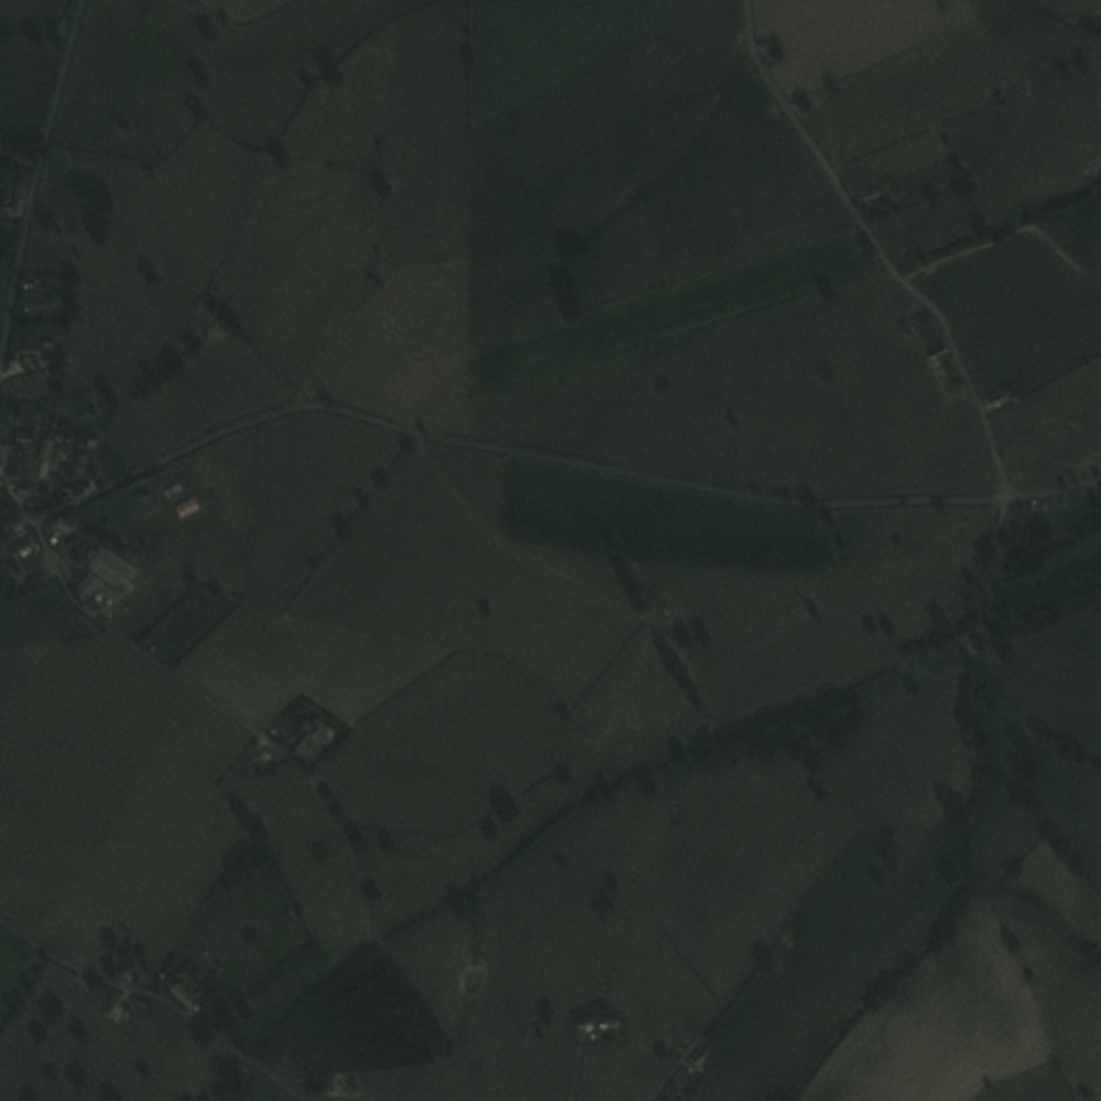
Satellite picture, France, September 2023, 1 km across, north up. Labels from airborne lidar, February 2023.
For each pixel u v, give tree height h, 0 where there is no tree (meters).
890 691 0
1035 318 0
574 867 0
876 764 0
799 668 0
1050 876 0
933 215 0
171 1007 0
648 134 0
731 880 0
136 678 0
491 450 0
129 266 0
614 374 0
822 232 0
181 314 0
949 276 0
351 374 0
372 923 0
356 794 0
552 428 0
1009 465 0
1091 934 0
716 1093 0
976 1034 0
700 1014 0
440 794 0
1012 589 0
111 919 0
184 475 0
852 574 0
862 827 0
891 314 0
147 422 0
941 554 0
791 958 0
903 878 0
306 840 0
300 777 0
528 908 0
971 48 0
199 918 0
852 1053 0
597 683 0
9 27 10
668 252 0
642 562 0
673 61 0
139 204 0
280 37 0
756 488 8
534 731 0
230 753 0
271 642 0
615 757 0
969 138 0
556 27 0
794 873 0
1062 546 7
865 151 0
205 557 0
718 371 0
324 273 0
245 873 13
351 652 0
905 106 0
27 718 0
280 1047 0
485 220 0
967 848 0
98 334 0
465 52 9
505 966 0
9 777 0
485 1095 0
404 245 0
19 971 0
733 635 0
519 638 0
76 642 0
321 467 0
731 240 0
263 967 0
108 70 0
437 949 0
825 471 0
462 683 0
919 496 0
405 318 0
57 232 16
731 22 0
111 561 0
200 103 11
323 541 0
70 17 0
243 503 0
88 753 0
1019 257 0
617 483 0
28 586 9
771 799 0
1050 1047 0
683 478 0
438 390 0
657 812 0
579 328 0
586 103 0
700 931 0
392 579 0
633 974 0
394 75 0
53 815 0
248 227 0
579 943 0
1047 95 0
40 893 0
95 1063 0
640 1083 0
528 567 0
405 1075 0
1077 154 0
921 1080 0
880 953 0
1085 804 0
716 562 0
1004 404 0
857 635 0
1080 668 0
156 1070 0
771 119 0
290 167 0
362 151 0
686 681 16
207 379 0
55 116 0
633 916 0
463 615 0
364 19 0
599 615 0
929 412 0
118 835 0
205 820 0
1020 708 0
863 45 0
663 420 0
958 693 10
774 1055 0
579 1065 0
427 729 0
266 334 0
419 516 0
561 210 0
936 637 10
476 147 0
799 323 0
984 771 17
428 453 0
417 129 0
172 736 0
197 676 0
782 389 0
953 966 0
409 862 0
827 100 0
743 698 0
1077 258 0
